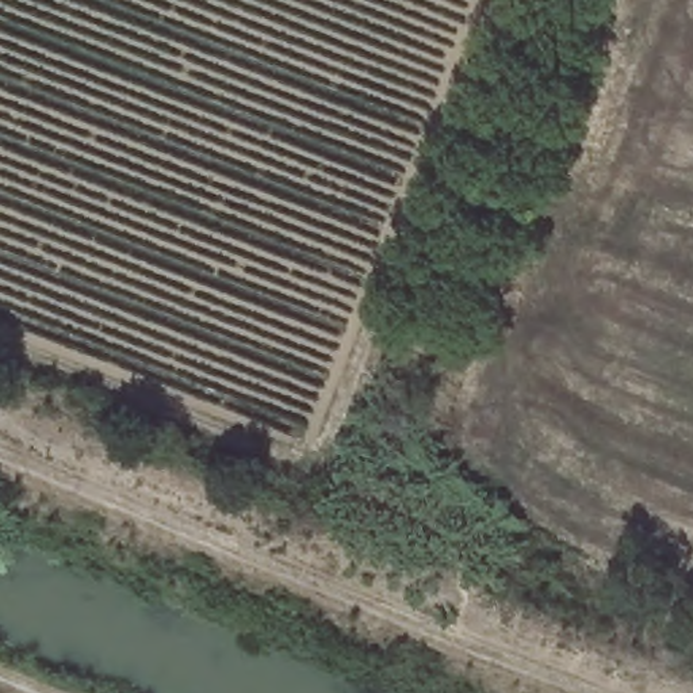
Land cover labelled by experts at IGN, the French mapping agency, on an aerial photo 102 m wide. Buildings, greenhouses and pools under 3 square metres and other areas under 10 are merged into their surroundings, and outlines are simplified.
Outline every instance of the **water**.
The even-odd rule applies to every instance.
[[[284,661],[244,658],[233,644],[233,636],[217,628],[192,623],[168,606],[133,606],[122,593],[84,582],[79,577],[60,574],[54,566],[27,552],[16,555],[8,571],[0,574],[0,644],[5,644],[14,655],[32,655],[35,663],[41,658],[54,658],[92,666],[95,674],[89,679],[116,682],[114,693],[341,693],[333,682],[314,677],[306,669],[290,666]]]

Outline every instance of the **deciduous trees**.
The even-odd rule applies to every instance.
[[[43,693],[114,693],[116,682],[89,679],[95,674],[92,666],[54,658],[41,658],[35,663],[32,655],[14,655],[5,644],[0,644],[0,666],[22,671],[24,677],[46,679]]]
[[[547,328],[536,311],[525,311],[512,298],[517,287],[512,282],[517,279],[517,273],[531,276],[539,268],[547,271],[560,263],[560,249],[552,246],[547,238],[552,236],[552,217],[568,211],[571,206],[568,173],[582,154],[590,108],[596,106],[598,87],[604,84],[604,73],[609,65],[609,43],[614,41],[614,0],[495,0],[495,5],[490,5],[493,38],[490,43],[485,43],[485,60],[479,60],[468,70],[471,79],[490,81],[493,95],[479,97],[476,116],[468,122],[466,130],[457,133],[457,154],[447,157],[447,162],[436,171],[436,176],[447,184],[444,195],[430,195],[422,187],[417,189],[417,208],[409,217],[411,225],[403,241],[403,263],[398,273],[390,276],[395,284],[406,287],[401,295],[382,295],[409,322],[406,336],[395,347],[387,344],[379,330],[371,336],[374,347],[379,347],[379,365],[371,374],[368,384],[363,384],[360,393],[352,398],[347,422],[341,425],[336,439],[317,449],[314,460],[271,457],[268,433],[249,425],[230,425],[219,436],[198,428],[192,436],[181,439],[181,433],[176,433],[168,425],[154,428],[138,417],[130,417],[127,409],[119,409],[114,401],[106,401],[89,387],[38,390],[35,379],[14,368],[14,363],[8,363],[5,357],[5,349],[0,349],[0,409],[24,406],[35,417],[76,420],[84,428],[84,436],[103,441],[106,455],[111,463],[119,463],[122,468],[152,466],[195,476],[203,482],[206,498],[219,512],[236,514],[238,514],[244,509],[273,512],[279,531],[290,536],[311,539],[328,533],[336,544],[347,550],[347,558],[355,555],[376,566],[390,563],[387,579],[387,587],[403,593],[406,604],[414,609],[425,596],[439,593],[439,585],[449,571],[463,579],[463,587],[474,587],[495,604],[517,604],[522,609],[522,617],[533,620],[536,614],[544,614],[563,628],[579,628],[587,639],[587,650],[593,644],[606,644],[612,650],[625,650],[633,655],[650,661],[658,652],[669,650],[693,674],[693,541],[679,531],[671,531],[658,517],[647,514],[644,506],[633,506],[625,512],[623,533],[617,539],[614,555],[609,558],[606,571],[587,568],[582,563],[585,552],[579,547],[560,541],[552,531],[536,525],[536,520],[517,504],[509,487],[476,471],[460,447],[447,447],[444,430],[433,430],[428,425],[436,390],[441,384],[441,374],[447,376],[449,371],[466,371],[471,360],[482,360],[482,365],[490,365],[493,357],[504,349],[522,352]]]
[[[306,669],[314,677],[333,682],[341,693],[476,693],[468,679],[447,669],[447,658],[439,650],[428,647],[422,639],[403,633],[395,639],[382,639],[376,644],[371,639],[341,631],[333,620],[328,620],[328,614],[306,596],[298,596],[282,585],[271,587],[265,593],[254,593],[249,587],[238,587],[233,579],[222,574],[219,566],[208,552],[187,550],[184,544],[179,544],[173,547],[173,555],[160,555],[141,544],[133,547],[116,539],[100,541],[97,536],[106,528],[106,514],[100,512],[92,512],[54,509],[43,514],[32,506],[22,509],[22,476],[8,476],[0,468],[0,574],[8,571],[16,555],[27,552],[54,566],[60,574],[79,577],[84,582],[122,593],[133,606],[168,606],[192,623],[217,628],[233,636],[233,644],[244,658],[284,661],[290,666]]]

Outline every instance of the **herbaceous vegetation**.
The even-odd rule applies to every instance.
[[[447,669],[468,679],[476,693],[525,693],[520,688],[520,677],[498,663],[485,663],[474,658],[447,658]]]
[[[693,674],[669,650],[658,652],[650,661],[652,669],[663,677],[693,679]]]
[[[612,658],[617,666],[623,666],[633,655],[625,650],[612,650],[606,644],[593,644],[587,650],[598,658]]]
[[[533,620],[544,628],[541,647],[558,647],[568,652],[587,650],[587,639],[579,628],[563,628],[544,614],[536,614]]]
[[[238,544],[230,536],[230,520],[236,514],[219,512],[206,498],[195,504],[192,522],[225,533],[219,539],[222,550]]]
[[[92,506],[84,498],[70,495],[65,490],[51,490],[46,482],[32,479],[30,474],[35,466],[51,463],[54,444],[70,447],[76,457],[106,455],[103,441],[84,436],[84,428],[76,420],[35,417],[24,406],[0,409],[0,468],[8,476],[22,476],[22,509],[32,506],[43,514],[54,509],[92,512]]]
[[[265,593],[271,587],[265,579],[252,579],[241,574],[241,568],[230,560],[219,566],[222,574],[233,579],[238,587],[249,587],[254,593]]]
[[[333,620],[341,631],[371,639],[376,644],[382,639],[395,639],[403,633],[401,628],[365,612],[360,612],[360,617],[349,617],[349,612],[330,609],[328,614],[328,620]]]
[[[279,531],[273,512],[244,509],[238,514],[254,533],[254,550],[265,547],[268,555],[284,555],[287,547],[298,539],[298,547],[303,552],[314,552],[325,560],[325,577],[360,579],[363,585],[371,585],[374,579],[387,579],[390,563],[376,566],[355,555],[347,558],[347,550],[336,544],[328,533],[311,539],[290,536]]]
[[[141,544],[160,555],[173,555],[173,547],[179,544],[173,533],[162,533],[149,522],[135,522],[111,509],[100,512],[106,514],[106,528],[97,536],[100,541],[116,539],[133,547]]]

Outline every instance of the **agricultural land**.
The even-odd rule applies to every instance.
[[[493,357],[490,365],[482,365],[482,360],[471,360],[466,371],[449,371],[447,376],[441,374],[441,384],[436,390],[428,425],[433,430],[444,430],[447,447],[460,447],[476,471],[509,487],[517,504],[536,520],[536,525],[552,531],[560,541],[579,547],[585,552],[582,563],[587,568],[606,571],[609,558],[614,555],[617,539],[623,533],[625,512],[633,506],[644,506],[647,514],[658,517],[671,531],[679,531],[693,541],[693,0],[614,0],[614,41],[609,43],[609,65],[604,73],[604,84],[598,87],[596,106],[590,108],[582,154],[568,173],[571,206],[568,211],[552,217],[552,236],[547,238],[552,246],[560,249],[560,263],[547,271],[539,268],[531,276],[517,273],[517,279],[512,282],[517,287],[512,298],[525,311],[536,311],[547,328],[522,352],[504,349]]]

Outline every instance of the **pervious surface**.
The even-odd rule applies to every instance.
[[[43,693],[46,679],[24,677],[22,671],[0,666],[0,693]]]
[[[265,579],[271,587],[282,585],[298,596],[306,596],[328,614],[330,609],[349,612],[349,617],[360,617],[360,612],[365,612],[401,628],[403,633],[422,639],[428,647],[439,650],[447,658],[474,658],[485,663],[498,663],[520,677],[520,688],[525,693],[693,693],[693,679],[663,677],[652,669],[650,661],[633,655],[623,666],[617,666],[612,658],[598,658],[587,650],[568,652],[558,647],[541,647],[544,628],[533,620],[522,617],[522,609],[517,604],[495,604],[474,587],[463,587],[463,579],[449,571],[439,585],[439,593],[425,596],[414,609],[406,604],[403,593],[387,587],[387,579],[374,579],[371,585],[363,585],[360,579],[325,577],[325,560],[314,552],[303,552],[298,547],[298,539],[287,547],[284,555],[268,555],[265,547],[254,550],[254,533],[238,514],[236,514],[230,520],[230,536],[238,544],[222,550],[219,539],[225,533],[192,522],[195,504],[206,498],[203,482],[195,476],[152,466],[122,468],[119,463],[111,463],[106,455],[76,457],[70,447],[54,444],[51,463],[35,466],[30,474],[32,479],[46,482],[51,490],[65,490],[70,495],[84,498],[92,506],[92,512],[100,512],[111,509],[135,522],[149,522],[162,533],[173,533],[179,544],[184,544],[187,550],[208,552],[219,566],[230,560],[241,568],[241,574],[252,579]]]

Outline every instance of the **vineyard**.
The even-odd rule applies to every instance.
[[[368,384],[371,374],[379,365],[379,347],[374,347],[371,336],[379,330],[387,344],[395,347],[406,336],[409,322],[382,295],[401,295],[406,287],[395,284],[390,276],[398,273],[403,263],[403,241],[411,225],[409,217],[417,208],[417,189],[422,187],[430,195],[444,195],[447,184],[436,176],[436,171],[447,162],[447,157],[457,154],[457,133],[466,130],[468,122],[476,116],[479,97],[493,95],[490,81],[471,79],[468,70],[479,60],[485,60],[485,43],[490,43],[493,38],[490,5],[495,5],[495,0],[0,0],[0,349],[5,349],[5,357],[8,363],[14,363],[14,368],[35,379],[38,390],[89,387],[106,401],[114,401],[119,409],[127,409],[130,417],[138,417],[154,428],[168,425],[176,433],[181,433],[181,439],[192,436],[198,428],[219,436],[230,425],[249,425],[268,433],[271,457],[314,460],[317,449],[336,439],[341,425],[347,422],[352,398],[360,393],[363,384]]]

